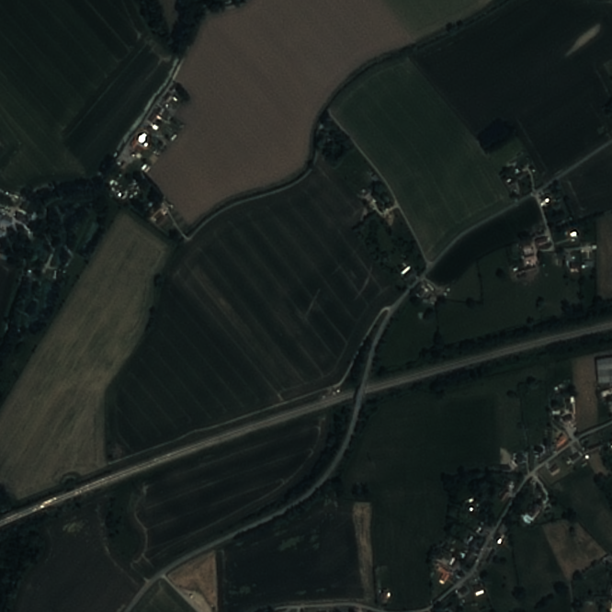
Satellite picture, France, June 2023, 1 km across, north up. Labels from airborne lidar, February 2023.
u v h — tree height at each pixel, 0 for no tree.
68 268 0
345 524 0
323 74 0
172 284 0
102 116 0
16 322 10
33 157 0
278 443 0
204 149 0
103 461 0
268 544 0
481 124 0
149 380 0
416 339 0
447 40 0
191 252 0
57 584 0
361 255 0
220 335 0
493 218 0
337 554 0
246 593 0
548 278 0
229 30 0
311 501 11
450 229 0
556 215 11
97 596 0
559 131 0
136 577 0
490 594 0
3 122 0
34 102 0
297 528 0
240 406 0
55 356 0
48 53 0
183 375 0
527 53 0
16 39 0
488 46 0
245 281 0
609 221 0
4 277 0
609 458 7
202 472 0
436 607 9
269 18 0
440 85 0
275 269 0
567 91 0
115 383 0
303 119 0
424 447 0
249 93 0
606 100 0
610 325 0
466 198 0
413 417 0
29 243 15
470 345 11
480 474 11
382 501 0
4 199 12
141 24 0
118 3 0
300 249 0
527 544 0
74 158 0
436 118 0
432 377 0
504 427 0
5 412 0
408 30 0
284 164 0
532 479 14
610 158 0
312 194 0
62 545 0
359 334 0
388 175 0
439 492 0
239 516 0
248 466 0
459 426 0
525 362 0
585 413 0
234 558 0
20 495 0
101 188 25
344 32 0
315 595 0
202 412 0
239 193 0
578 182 0
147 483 0
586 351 0
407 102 0
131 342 0
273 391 0
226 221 0
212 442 0
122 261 0
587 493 0
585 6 0
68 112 0
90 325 0
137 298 0
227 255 0
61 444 0
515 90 0
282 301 0
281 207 0
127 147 0
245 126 0
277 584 0
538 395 0
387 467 0
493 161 0
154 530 0
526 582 0
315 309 0
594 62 0
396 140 0
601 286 0
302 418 0
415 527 0
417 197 0
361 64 0
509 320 0
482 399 0
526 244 0
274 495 0
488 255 0
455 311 0
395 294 0
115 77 0
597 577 0
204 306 0
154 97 0
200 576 0
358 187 0
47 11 0
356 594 0
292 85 0
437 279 0
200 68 0
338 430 10
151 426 0
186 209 0
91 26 0
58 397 0
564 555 0
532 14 0
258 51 0
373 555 0
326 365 0
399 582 0
